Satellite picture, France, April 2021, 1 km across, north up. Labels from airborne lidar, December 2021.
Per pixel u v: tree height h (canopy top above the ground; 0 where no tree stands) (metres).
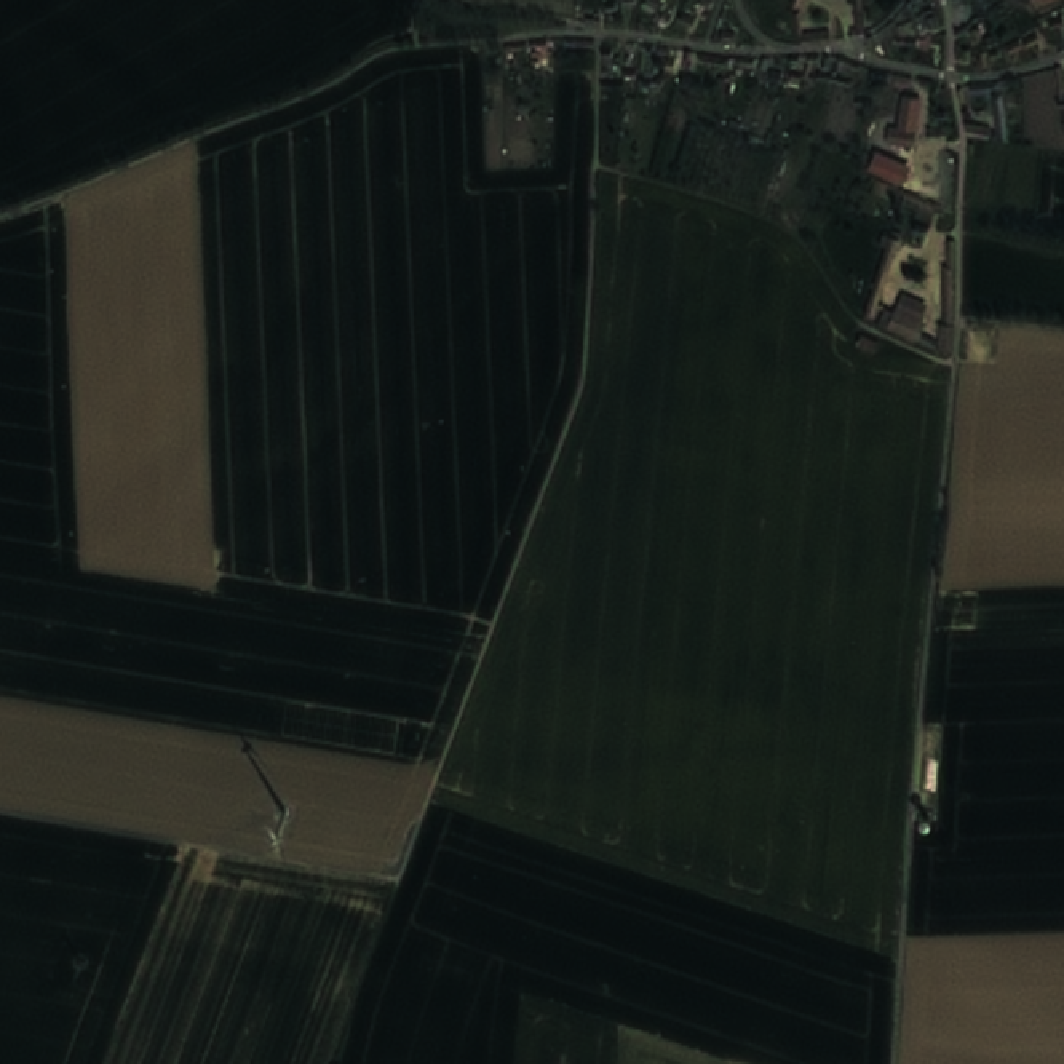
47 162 0
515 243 0
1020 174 0
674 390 0
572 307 0
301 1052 0
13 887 0
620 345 0
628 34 0
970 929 0
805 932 0
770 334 0
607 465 0
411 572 0
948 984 0
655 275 0
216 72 0
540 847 0
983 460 0
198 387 0
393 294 0
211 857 0
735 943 0
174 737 0
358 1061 0
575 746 0
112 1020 0
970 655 0
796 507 0
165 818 0
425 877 0
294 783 0
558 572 0
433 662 0
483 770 0
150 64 0
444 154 0
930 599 0
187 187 0
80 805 0
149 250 0
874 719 0
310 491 0
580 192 0
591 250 0
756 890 0
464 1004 0
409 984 0
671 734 0
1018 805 0
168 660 0
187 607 0
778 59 0
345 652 0
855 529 0
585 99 0
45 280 0
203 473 0
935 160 0
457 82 0
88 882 0
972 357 0
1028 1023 0
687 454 0
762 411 0
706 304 0
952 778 0
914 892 0
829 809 0
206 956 0
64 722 0
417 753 0
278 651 0
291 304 0
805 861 0
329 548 0
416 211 0
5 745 0
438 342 0
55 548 0
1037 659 0
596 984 0
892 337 0
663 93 0
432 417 0
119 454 0
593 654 0
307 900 0
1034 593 0
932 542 0
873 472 0
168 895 0
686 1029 0
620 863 0
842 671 0
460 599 0
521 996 0
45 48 0
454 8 17
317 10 0
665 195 0
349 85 0
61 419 0
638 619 0
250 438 0
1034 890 0
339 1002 0
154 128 0
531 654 0
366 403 0
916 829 0
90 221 0
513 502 0
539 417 0
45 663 0
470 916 0
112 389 0
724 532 0
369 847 0
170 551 0
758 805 0
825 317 0
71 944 0
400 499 0
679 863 0
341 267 0
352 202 0
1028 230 31
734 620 0
